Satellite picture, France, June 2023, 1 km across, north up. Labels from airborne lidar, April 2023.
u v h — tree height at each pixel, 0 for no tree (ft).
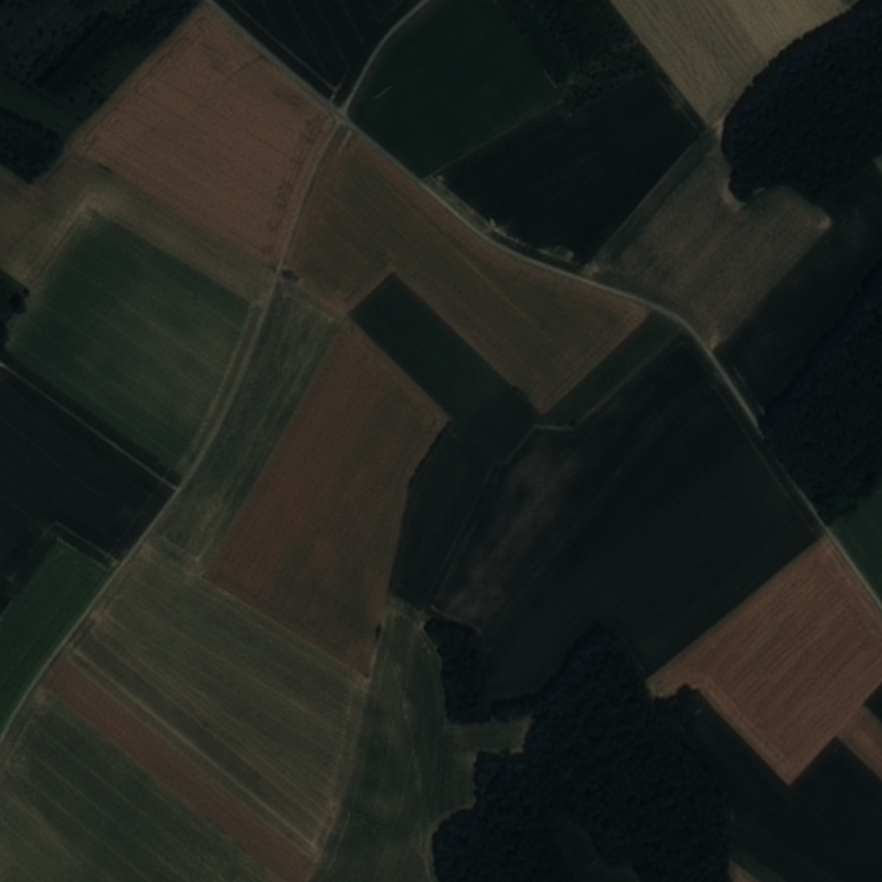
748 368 0
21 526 0
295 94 0
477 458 0
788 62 75
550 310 0
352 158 0
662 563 0
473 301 0
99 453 0
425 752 0
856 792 0
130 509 0
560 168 0
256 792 0
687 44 0
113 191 0
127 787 0
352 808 0
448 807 0
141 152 0
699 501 0
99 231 0
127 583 0
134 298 0
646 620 0
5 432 0
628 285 0
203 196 0
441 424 0
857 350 106
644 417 0
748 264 0
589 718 85
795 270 0
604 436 0
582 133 0
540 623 0
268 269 0
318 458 0
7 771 0
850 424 101
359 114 0
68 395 0
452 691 48
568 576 0
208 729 0
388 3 0
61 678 0
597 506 0
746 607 0
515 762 83
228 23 0
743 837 0
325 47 0
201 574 0
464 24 0
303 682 0
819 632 0
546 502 0
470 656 60
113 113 0
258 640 0
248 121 0
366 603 0
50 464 0
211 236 0
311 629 0
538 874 72
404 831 0
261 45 0
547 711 59
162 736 0
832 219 0
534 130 0
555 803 99
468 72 0
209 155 0
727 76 0
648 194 0
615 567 0
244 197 0
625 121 0
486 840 79
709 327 0
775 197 0
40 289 0
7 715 0
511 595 0
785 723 0
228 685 0
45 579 0
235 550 0
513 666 0
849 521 0
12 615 0
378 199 0
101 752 0
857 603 0
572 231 0
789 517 0
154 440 0
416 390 0
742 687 0
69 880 0
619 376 0
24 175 58
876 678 0
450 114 0
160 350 0
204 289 0
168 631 0
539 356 0
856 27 82
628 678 83
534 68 0
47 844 0
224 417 0
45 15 0
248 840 0
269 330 0
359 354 0
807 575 0
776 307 0
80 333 0
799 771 0
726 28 0
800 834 0
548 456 0
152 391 0
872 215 0
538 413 0
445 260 0
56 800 0
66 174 0
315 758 0
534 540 0
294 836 0
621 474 0
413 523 0
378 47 0
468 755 0
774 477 0
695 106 0
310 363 0
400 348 0
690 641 0
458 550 0
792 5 0
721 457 0
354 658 0
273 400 0
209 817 0
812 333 0
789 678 0
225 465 0
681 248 0
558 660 0
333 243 0
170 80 0
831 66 85
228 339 0
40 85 31
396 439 0
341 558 0
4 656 0
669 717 81
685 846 70
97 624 0
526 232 0
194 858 0
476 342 0
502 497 0
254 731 0
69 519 0
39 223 0
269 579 0
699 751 0
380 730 0
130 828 0
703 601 0
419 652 0
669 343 0
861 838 0
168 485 0
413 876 0
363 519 0
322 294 0
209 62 0
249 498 0
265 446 0
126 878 0
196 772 0
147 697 0
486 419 0
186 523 0
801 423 104
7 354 0
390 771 0
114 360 0
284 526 0
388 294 0
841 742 0
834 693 0
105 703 0
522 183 0
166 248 0
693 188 0
